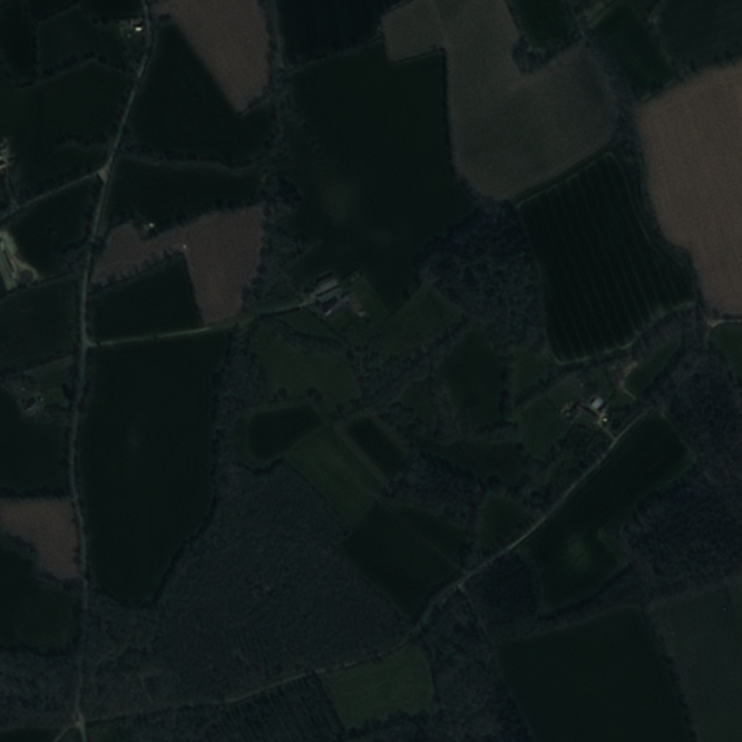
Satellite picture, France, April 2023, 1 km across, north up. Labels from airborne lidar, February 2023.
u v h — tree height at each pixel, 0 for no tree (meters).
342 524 7
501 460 0
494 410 0
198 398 0
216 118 0
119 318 0
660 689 0
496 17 0
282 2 0
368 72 0
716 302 0
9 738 0
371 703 0
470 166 0
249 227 0
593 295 0
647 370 0
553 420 0
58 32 0
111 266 0
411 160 0
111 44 0
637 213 0
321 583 9
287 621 9
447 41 0
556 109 0
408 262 0
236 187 0
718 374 16
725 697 0
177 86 0
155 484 0
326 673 16
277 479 9
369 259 0
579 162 0
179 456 0
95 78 0
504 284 17
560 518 0
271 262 12
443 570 0
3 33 0
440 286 16
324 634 13
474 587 11
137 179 0
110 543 0
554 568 0
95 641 28
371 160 0
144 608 12
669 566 11
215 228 0
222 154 0
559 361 0
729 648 0
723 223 0
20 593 0
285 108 13
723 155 0
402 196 0
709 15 0
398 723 17
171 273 0
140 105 0
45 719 22
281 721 15
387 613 14
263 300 10
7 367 0
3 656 18
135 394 0
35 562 17
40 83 6
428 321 0
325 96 0
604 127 0
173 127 0
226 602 10
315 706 15
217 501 9
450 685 12
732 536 22
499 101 0
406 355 0
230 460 12
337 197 0
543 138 0
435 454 0
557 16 0
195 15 0
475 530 12
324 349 11
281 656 14
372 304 0
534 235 0
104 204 7
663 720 0
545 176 0
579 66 0
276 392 0
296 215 0
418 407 0
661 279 0
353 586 11
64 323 0
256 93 0
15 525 0
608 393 0
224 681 11
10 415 0
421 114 0
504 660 0
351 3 0
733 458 20
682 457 0
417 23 0
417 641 14
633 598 11
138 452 0
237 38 0
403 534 0
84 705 20
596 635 0
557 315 0
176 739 16
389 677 0
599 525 0
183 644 9
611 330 0
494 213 15
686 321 10
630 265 0
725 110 0
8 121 0
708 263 0
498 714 18
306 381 0
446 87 13
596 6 0
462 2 0
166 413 0
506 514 0
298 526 8
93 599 16
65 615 0
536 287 8
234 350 17
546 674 0
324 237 0
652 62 0
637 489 0
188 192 0
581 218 0
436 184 0
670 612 0
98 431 0
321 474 0
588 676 0
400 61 0
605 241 0
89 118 0
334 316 0
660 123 0
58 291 0
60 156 0
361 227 0
